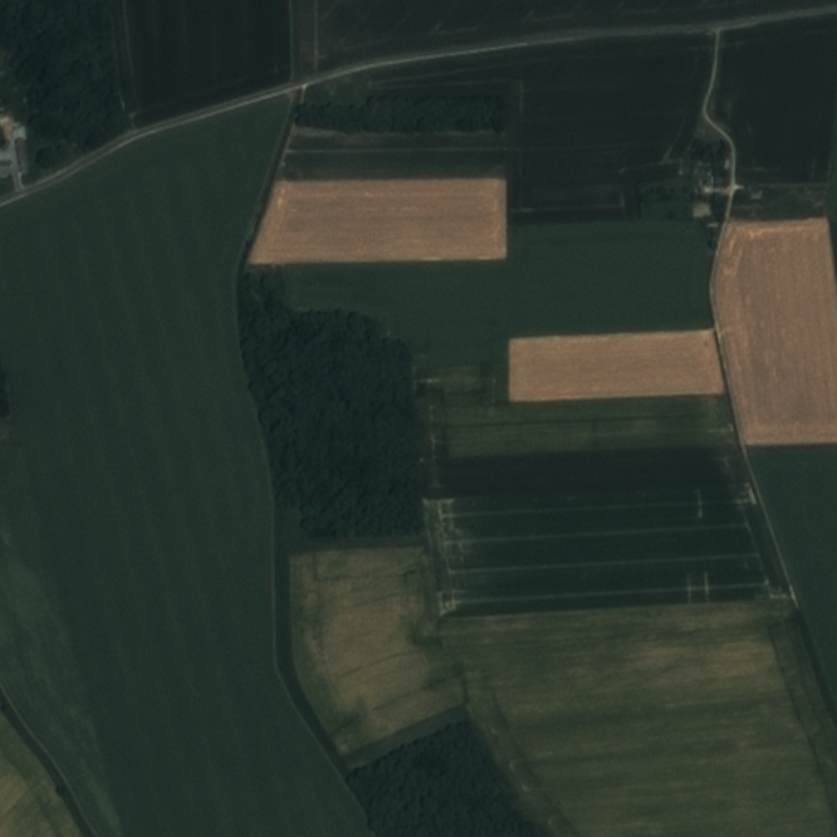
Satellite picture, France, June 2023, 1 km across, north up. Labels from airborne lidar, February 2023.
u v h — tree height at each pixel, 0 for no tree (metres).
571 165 0
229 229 0
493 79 0
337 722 0
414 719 0
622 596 0
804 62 0
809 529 0
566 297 0
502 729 0
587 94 0
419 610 0
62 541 0
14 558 0
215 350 0
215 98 0
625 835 0
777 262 0
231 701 0
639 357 0
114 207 0
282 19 0
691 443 0
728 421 0
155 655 0
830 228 0
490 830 11
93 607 0
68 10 22
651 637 0
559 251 0
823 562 0
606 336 0
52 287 0
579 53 0
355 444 23
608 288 0
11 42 17
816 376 0
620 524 0
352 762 0
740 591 0
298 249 0
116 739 0
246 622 0
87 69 15
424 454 0
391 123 17
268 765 0
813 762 0
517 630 0
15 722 0
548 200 0
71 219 0
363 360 17
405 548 0
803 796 0
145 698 0
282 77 0
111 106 15
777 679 0
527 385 0
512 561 0
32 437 0
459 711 0
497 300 0
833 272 0
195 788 0
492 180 0
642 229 0
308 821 0
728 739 0
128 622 0
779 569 0
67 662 0
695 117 0
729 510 0
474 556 0
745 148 0
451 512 0
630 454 0
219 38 0
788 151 0
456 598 0
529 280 0
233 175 0
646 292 0
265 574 0
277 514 0
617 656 0
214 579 0
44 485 0
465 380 0
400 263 0
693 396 0
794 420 0
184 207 0
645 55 0
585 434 0
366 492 16
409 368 13
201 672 0
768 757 0
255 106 0
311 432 22
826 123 0
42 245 0
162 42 0
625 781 0
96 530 0
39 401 0
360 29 0
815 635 0
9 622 0
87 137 15
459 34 0
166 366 0
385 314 0
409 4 0
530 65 0
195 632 0
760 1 0
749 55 0
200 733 0
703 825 0
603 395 0
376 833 14
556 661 0
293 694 0
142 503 0
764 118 0
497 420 0
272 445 6
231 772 0
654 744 0
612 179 0
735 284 0
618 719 0
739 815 0
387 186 0
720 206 10
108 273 0
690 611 0
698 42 0
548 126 0
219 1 0
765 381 0
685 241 0
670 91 0
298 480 7
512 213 0
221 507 0
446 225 0
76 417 0
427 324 0
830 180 0
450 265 0
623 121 0
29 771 0
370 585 0
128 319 0
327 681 0
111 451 0
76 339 0
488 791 23
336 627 0
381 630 0
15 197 0
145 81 0
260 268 0
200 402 0
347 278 0
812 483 0
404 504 17
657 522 0
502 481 0
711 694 0
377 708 0
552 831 0
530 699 0
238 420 0
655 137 0
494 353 0
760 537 0
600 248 0
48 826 0
